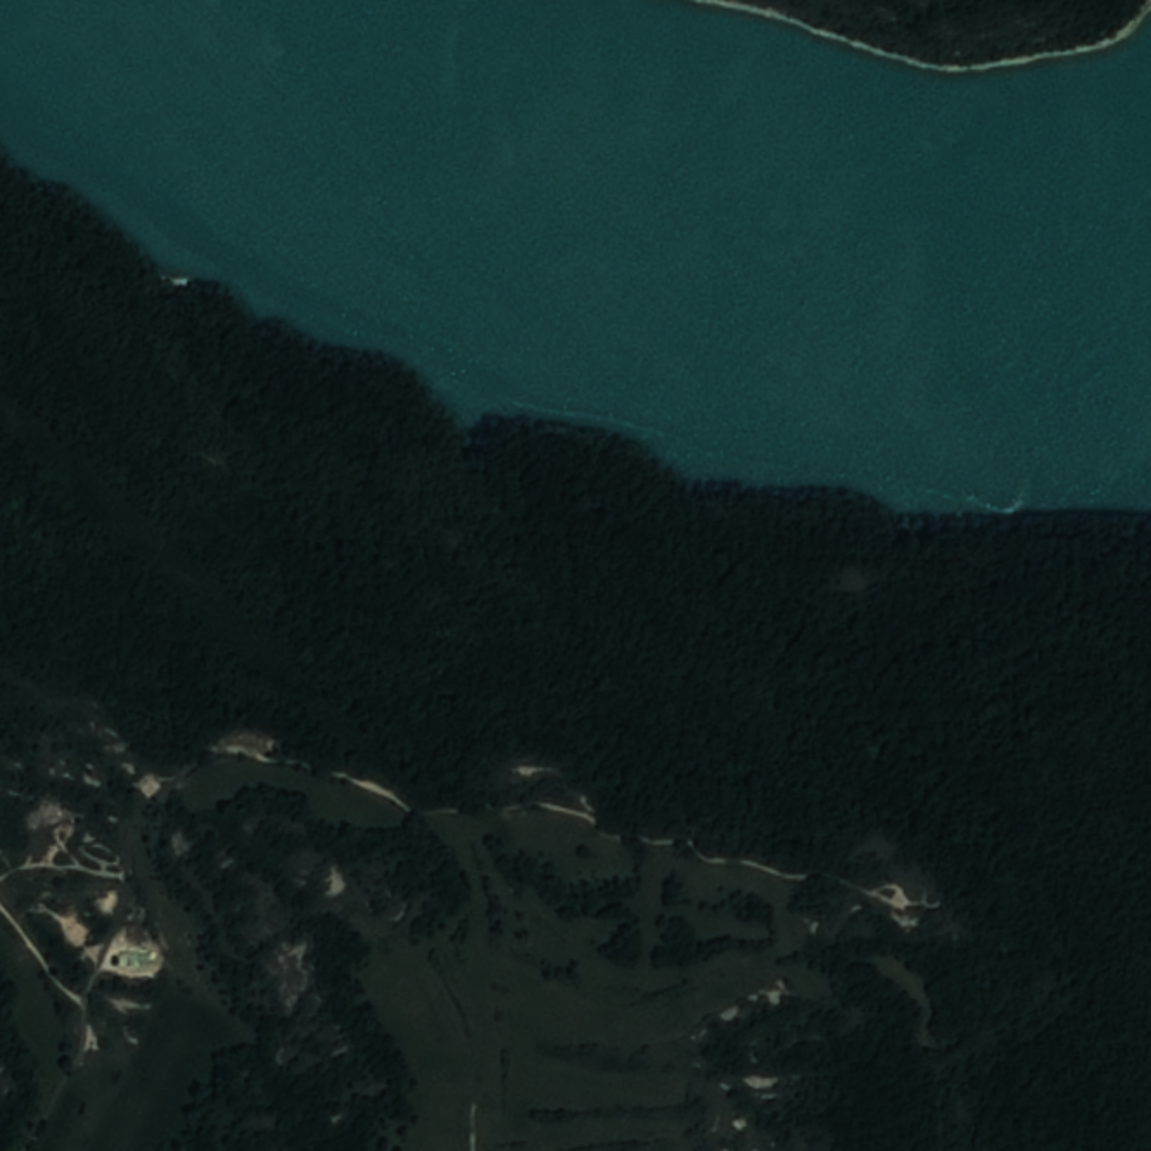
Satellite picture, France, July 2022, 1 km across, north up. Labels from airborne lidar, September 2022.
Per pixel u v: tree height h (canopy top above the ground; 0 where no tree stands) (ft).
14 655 57
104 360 21
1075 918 39
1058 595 62
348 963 40
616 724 47
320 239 0
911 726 51
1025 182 0
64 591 47
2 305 49
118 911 0
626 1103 0
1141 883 53
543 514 92
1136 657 42
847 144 0
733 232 0
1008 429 0
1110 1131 37
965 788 51
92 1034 0
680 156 0
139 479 33
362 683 50
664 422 0
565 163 0
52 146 0
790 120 0
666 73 0
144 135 0
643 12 0
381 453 45
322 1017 31
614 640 29
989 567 36
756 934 0
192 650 54
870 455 0
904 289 0
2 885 0
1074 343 0
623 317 0
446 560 30
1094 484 0
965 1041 30
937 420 0
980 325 0
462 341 0
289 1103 39
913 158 0
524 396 0
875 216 0
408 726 53
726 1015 0
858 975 51
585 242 0
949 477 0
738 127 0
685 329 0
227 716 41
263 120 0
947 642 48
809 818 51
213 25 0
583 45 0
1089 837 35
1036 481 0
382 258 0
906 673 56
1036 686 36
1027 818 52
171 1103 0
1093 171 0
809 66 0
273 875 33
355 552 75
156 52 0
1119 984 34
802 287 0
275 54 0
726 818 44
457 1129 0
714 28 0
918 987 0
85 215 52
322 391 85
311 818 31
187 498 45
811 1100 26
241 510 45
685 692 50
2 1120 24
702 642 25
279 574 62
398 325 0
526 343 0
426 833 26
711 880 0
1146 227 0
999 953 23
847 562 42
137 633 51
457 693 59
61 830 0
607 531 64
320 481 32
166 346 22
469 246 0
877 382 0
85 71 0
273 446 29
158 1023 0
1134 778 33
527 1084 0
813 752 43
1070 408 0
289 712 39
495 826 0
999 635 42
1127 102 0
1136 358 0
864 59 0
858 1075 52
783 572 35
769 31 0
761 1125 22
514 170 0
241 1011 21
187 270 0
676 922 22
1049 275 0
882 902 0
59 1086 0
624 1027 0
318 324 0
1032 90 0
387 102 0
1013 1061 49
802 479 0
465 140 0
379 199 0
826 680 73
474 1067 0
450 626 36
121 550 22
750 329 0
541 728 51
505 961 0
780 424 0
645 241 0
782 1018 22
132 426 30
